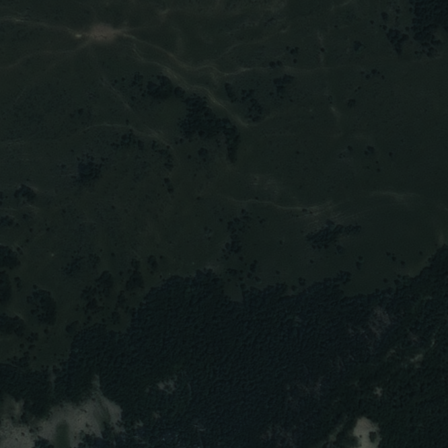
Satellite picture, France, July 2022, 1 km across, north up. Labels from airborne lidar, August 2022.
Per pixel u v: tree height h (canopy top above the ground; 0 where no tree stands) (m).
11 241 0
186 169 0
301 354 17
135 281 18
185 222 0
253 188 0
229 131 13
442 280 18
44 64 0
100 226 0
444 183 0
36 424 0
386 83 0
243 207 0
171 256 0
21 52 0
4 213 0
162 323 21
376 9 0
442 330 14
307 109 0
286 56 0
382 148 0
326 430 11
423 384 19
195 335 16
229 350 19
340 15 0
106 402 0
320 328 21
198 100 9
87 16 0
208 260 0
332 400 11
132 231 0
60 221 0
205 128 12
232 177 0
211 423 18
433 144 0
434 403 14
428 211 0
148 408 15
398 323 13
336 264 0
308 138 0
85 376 12
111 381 15
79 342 12
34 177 0
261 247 0
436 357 16
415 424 9
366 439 0
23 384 15
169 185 8
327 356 22
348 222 0
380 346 12
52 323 11
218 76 0
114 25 0
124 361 21
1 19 0
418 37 14
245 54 0
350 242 0
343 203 0
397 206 0
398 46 12
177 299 13
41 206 0
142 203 0
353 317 21
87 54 0
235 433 15
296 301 15
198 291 18
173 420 11
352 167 0
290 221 0
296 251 0
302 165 0
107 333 9
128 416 17
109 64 0
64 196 0
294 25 0
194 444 9
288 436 14
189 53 0
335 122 0
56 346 0
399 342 11
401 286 12
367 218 0
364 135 0
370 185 0
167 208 0
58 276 0
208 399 21
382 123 0
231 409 17
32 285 0
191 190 0
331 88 0
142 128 0
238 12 0
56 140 0
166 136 0
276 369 15
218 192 0
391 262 0
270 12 0
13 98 0
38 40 0
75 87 0
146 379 16
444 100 0
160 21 0
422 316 19
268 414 15
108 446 19
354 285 0
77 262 8
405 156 0
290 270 0
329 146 0
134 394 12
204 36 0
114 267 0
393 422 13
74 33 0
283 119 0
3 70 0
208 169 0
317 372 20
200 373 17
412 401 21
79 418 0
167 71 0
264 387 18
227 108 0
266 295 16
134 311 7
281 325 15
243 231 7
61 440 0
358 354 18
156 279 0
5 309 0
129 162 0
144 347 22
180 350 15
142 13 0
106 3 0
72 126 0
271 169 0
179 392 11
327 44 0
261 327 22
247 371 22
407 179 0
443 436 21
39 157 0
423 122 0
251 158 0
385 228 0
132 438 7
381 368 14
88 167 16
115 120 0
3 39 0
